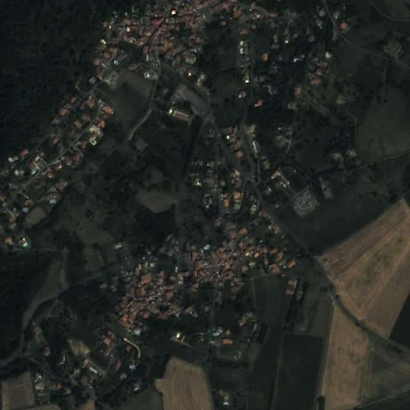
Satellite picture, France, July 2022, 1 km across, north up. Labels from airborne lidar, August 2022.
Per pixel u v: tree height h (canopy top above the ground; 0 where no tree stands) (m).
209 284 6
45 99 5
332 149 17
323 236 0
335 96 0
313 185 16
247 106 0
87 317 10
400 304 0
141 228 14
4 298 18
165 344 0
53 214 7
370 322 0
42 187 6
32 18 14
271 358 0
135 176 11
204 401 0
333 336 0
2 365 0
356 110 0
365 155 0
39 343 0
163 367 6
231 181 0
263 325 8
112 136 6
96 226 0
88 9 12
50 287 0
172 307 0
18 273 13
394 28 0
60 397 10
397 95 0
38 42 10
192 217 5
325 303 0
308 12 6
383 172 0
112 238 0
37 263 9
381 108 0
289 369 0
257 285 0
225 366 8
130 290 0
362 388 0
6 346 0
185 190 0
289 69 9
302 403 0
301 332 0
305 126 11
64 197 6
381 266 0
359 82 0
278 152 7
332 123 0
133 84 0
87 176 10
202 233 7
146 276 0
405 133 0
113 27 0
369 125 0
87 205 0
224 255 0
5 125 23
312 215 0
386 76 6
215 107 7
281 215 0
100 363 0
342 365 0
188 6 0
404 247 0
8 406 0
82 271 0
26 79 12
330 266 0
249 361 0
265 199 9
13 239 7
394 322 0
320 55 0
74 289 17
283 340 0
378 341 0
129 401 0
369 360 0
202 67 13
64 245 11
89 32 11
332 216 0
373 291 0
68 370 0
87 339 0
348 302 0
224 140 7
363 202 0
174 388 0
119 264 0
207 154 0
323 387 0
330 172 13
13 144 6
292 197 7
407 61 0
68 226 0
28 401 0
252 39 0
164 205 0
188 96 0
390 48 0
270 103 13
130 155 0
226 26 12
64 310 9
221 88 0
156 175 0
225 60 0
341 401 0
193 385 0
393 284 0
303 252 11
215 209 10
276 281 0
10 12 28
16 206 7
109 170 10
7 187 9
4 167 8
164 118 8
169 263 0
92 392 0
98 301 7
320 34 12
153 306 0
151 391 0
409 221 0
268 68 13
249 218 11
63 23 6
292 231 0
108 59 0
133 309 0
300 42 9
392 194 9
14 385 0
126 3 12
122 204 8
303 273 0
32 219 0
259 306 0
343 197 0
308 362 0
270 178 6
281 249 0
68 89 10
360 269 0
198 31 7
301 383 0
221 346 0
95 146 8
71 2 0
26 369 9
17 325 13
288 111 10
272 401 8
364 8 0
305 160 0
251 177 0
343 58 0
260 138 10
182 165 0
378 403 0
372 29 0
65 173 0
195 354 0
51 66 9
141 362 6
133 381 10
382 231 0
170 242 8
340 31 6
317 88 0
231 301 12
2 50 23
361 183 0
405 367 0
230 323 0
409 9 7
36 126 12
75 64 14
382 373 0
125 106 0
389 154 0
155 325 12
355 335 0
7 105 19
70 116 8
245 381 0
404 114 0
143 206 9
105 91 0
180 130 0
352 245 0
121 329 0
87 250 0
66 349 11
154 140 8
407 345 0
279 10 9
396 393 0
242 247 0
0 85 18
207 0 0
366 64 6
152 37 0
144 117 0
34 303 0
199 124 9
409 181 6
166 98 14
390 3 0
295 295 10
